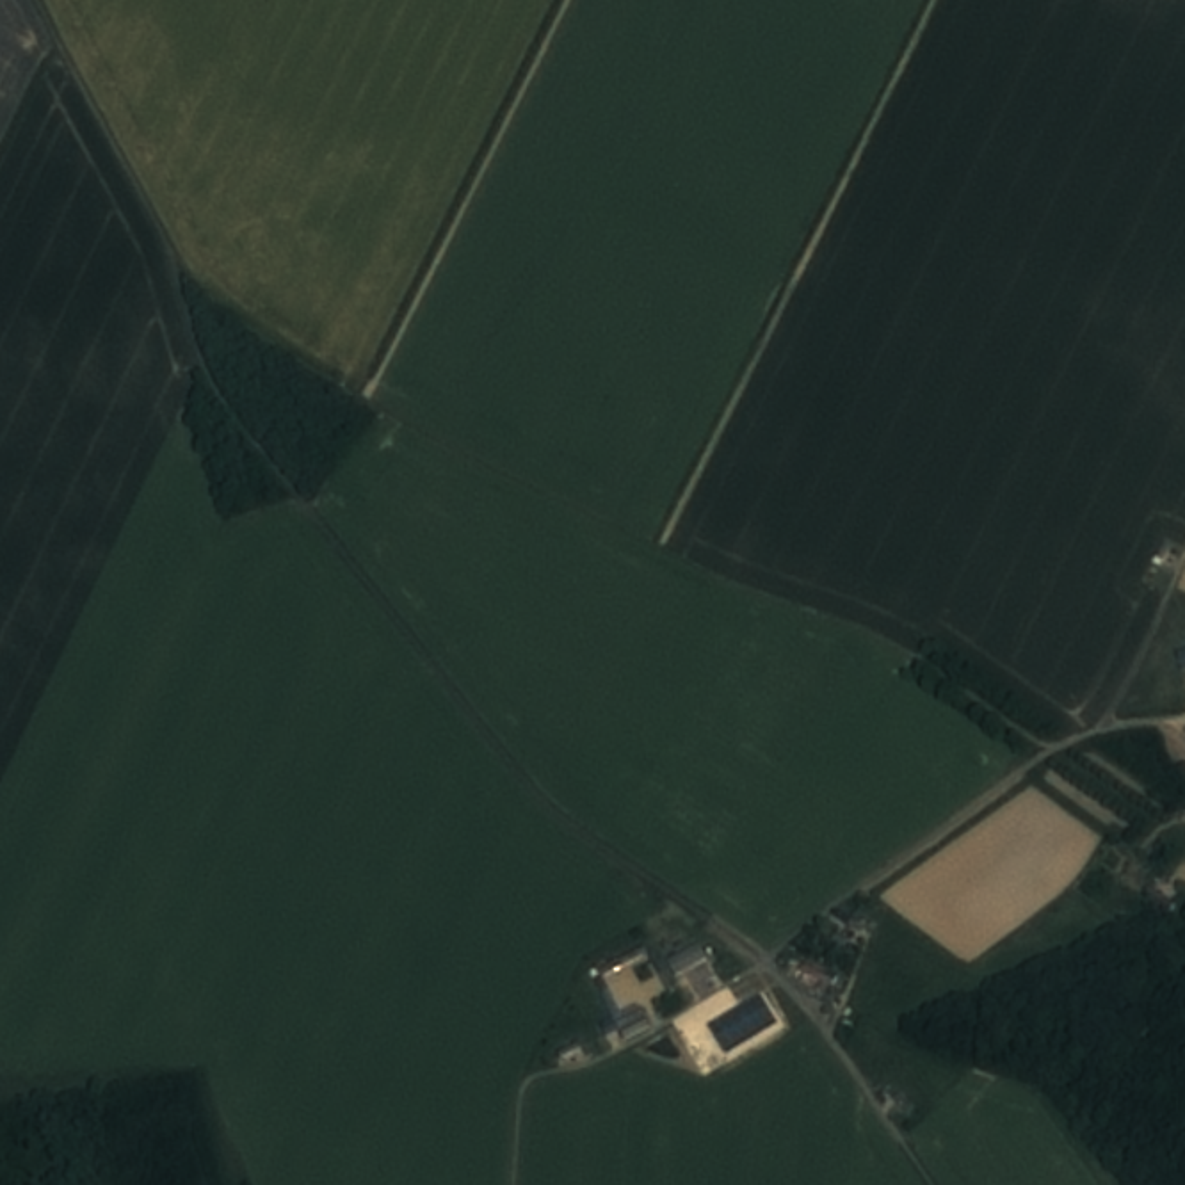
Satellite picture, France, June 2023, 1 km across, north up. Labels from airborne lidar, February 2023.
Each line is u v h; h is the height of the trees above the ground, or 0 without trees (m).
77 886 0
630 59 0
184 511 0
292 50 0
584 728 0
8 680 0
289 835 0
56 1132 21
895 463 0
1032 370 0
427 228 0
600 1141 0
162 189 0
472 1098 0
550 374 0
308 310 0
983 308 0
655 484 0
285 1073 0
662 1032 0
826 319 0
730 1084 0
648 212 0
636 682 0
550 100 0
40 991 0
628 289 0
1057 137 0
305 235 0
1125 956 14
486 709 0
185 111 0
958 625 0
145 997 0
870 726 0
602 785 0
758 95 0
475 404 0
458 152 0
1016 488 0
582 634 0
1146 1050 8
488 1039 0
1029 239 0
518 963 0
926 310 0
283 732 0
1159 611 0
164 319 0
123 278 0
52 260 0
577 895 0
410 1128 0
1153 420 0
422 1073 0
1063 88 0
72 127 0
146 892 0
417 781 0
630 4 0
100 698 0
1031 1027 14
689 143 0
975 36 0
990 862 0
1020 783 0
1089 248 0
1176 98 0
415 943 0
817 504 0
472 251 0
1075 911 0
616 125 0
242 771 0
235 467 17
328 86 0
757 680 0
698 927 0
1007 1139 0
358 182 0
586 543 0
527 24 0
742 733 0
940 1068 0
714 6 0
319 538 0
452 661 0
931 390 0
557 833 0
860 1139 0
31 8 0
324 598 0
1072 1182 0
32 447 0
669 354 0
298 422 23
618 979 0
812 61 0
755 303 0
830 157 0
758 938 0
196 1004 0
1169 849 13
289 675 0
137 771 0
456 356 0
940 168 0
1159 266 0
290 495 7
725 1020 9
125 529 0
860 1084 0
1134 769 6
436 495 0
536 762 0
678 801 0
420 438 0
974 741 0
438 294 0
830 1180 0
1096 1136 10
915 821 0
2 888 0
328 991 0
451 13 0
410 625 0
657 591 0
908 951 0
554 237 0
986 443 0
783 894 0
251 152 0
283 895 0
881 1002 0
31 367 0
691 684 0
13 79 0
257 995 0
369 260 0
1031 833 0
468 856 0
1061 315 0
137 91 0
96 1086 15
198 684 0
